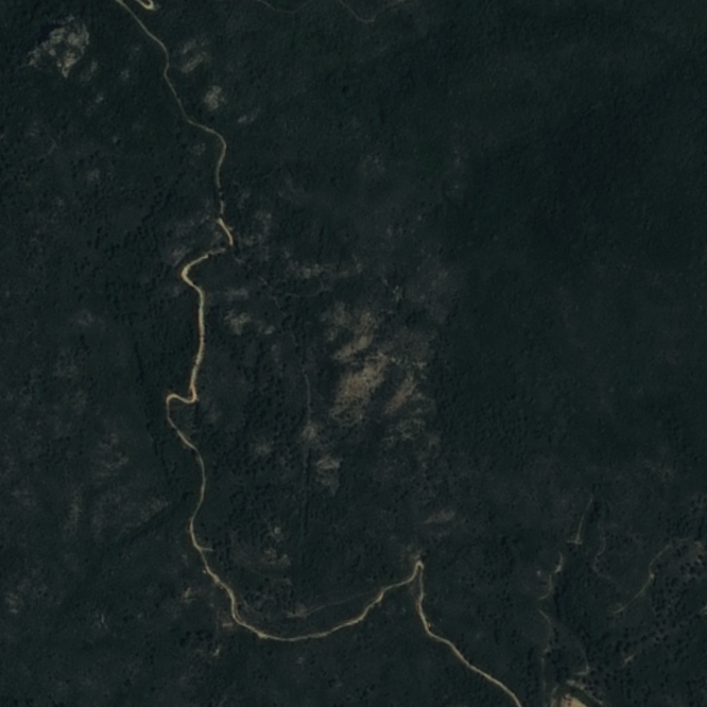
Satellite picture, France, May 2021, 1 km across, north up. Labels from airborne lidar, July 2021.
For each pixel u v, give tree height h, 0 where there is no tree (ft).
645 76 29
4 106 32
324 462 0
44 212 22
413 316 57
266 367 28
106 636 20
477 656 22
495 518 51
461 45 21
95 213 31
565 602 74
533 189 30
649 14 23
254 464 29
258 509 40
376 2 18
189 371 27
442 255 24
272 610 20
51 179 33
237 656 21
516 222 25
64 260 32
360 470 27
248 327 29
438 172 18
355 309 29
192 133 17
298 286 45
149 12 18
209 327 34
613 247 25
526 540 21
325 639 22
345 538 28
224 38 29
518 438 29
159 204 44
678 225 25
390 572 49
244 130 24
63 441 44
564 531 25
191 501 46
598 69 23
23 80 22
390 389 25
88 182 22
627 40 24
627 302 24
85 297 43
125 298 18
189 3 22
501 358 23
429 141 18
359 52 19
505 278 20
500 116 26
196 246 26
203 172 27
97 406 25
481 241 18
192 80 34
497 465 30
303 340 33
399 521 31
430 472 38
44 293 38
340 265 21
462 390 34
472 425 26
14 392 25
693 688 43
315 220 39
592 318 19
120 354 25
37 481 19
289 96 21
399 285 30
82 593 17
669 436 26
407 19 33
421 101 21
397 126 20
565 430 21
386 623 33
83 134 23
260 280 31
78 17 21
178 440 26
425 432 27
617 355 20
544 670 45
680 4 30
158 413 47
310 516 36
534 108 19
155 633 20
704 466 23
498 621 30
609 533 22
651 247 27
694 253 18
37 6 49
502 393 22
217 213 22
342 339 19
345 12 21
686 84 33
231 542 33
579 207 30
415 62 35
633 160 21
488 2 23
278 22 20
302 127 18
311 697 19
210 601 0
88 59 26
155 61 22
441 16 28
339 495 42
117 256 43
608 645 57
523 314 21
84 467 25
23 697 22
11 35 18
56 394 28
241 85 49
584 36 26
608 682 39
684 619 38
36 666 20
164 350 23
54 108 18
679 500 20
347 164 19
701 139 22
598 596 29
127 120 23
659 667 28
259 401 32
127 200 31
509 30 42
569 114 19
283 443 34
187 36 21
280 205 29
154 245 38
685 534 47
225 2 20
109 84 25
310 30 23
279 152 24
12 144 21
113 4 24
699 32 21
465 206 23
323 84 19
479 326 21
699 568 36
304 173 25
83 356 29
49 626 21
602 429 27
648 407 25
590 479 19
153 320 19
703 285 26
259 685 22
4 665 30
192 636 43
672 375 21
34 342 19
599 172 31
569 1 19
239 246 42
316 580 21
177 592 20
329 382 22
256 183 20
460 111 18
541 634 0
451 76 24
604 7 20
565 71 22
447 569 40
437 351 27
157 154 31
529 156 32
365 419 34
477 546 27
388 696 27
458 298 24
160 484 18
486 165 25
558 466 23
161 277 32
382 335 39
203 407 35
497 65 20
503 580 41
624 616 26
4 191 31
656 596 32
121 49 24
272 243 30
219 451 29
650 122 30
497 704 24
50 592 25
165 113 21
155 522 21
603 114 39
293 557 35
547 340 19
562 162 31
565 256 29
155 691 36
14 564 19
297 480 24
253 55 31
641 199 29
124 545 23
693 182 18
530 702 25
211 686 20
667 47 32
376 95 18
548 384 23
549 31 26
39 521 22
